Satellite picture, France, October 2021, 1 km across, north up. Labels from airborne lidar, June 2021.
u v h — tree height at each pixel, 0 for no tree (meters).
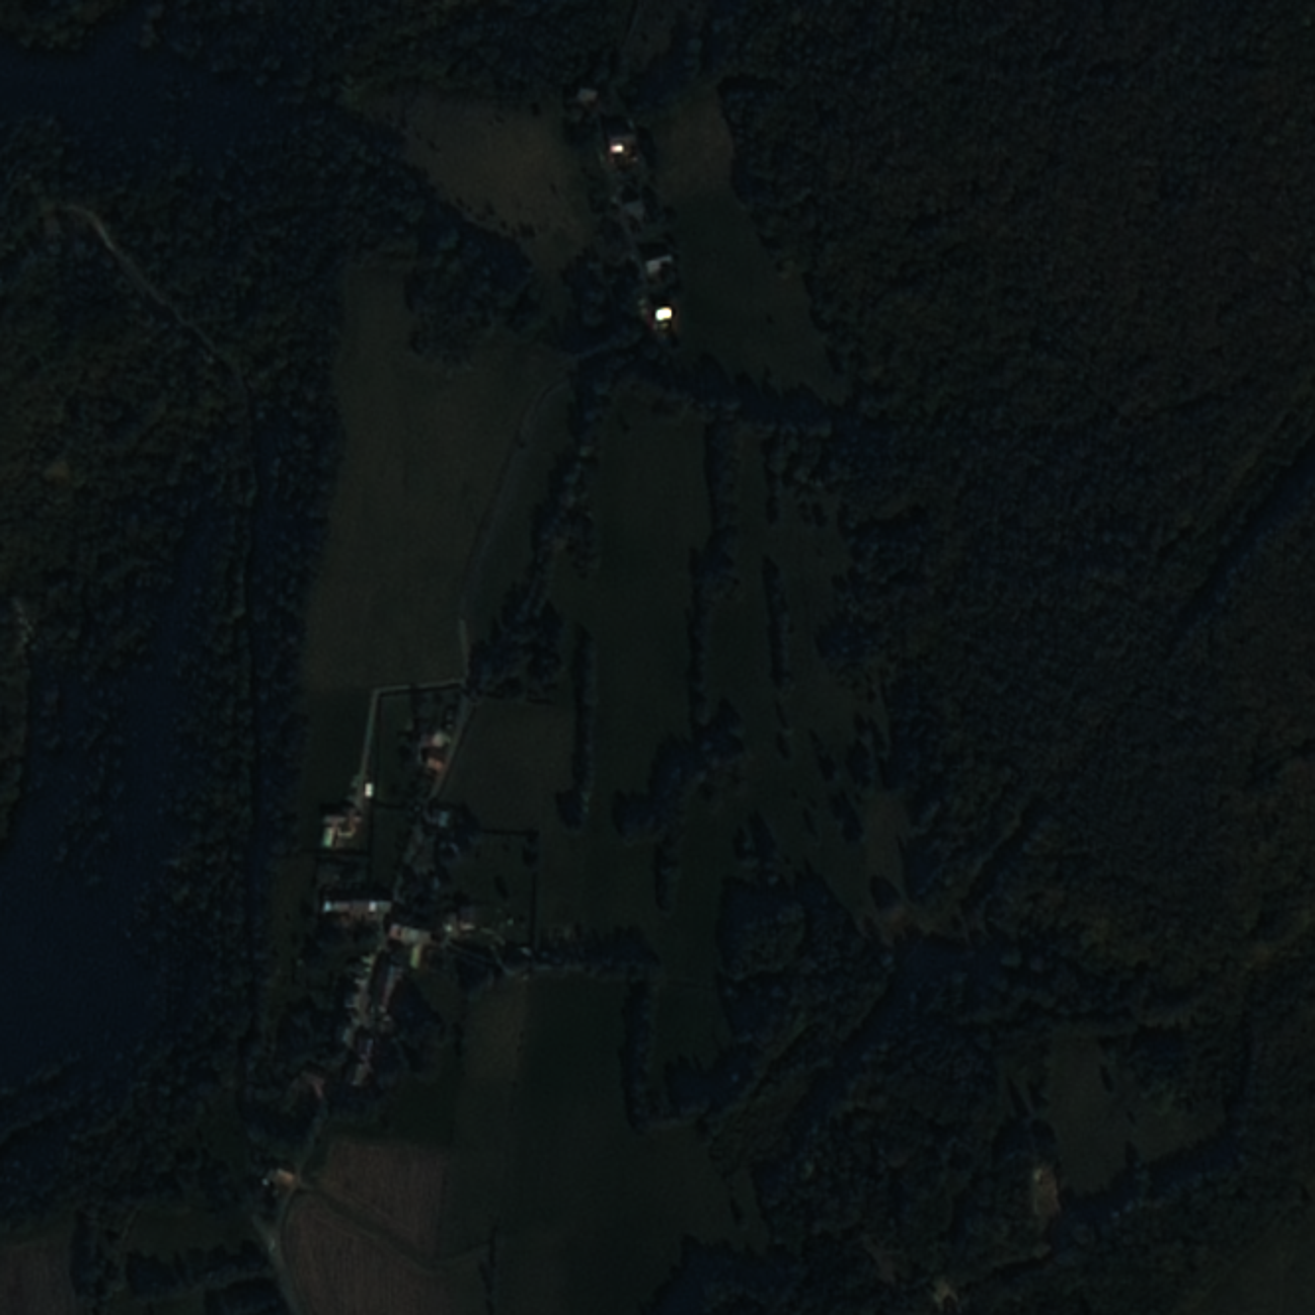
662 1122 14
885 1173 9
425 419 0
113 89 21
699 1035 0
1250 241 20
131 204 17
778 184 25
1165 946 27
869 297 20
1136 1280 18
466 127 0
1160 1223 19
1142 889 13
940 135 22
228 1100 0
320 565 10
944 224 25
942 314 20
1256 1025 22
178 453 27
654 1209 0
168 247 11
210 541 17
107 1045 22
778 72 24
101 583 15
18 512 11
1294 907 24
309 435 16
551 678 17
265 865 20
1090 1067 0
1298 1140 21
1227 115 22
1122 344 20
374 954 0
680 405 12
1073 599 15
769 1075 8
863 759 10
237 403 14
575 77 9
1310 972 21
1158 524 21
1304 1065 22
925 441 19
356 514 0
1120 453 24
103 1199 16
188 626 17
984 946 7
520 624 12
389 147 15
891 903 14
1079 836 15
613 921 0
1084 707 14
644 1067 13
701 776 17
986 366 13
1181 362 20
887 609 21
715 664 0
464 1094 0
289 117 26
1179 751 15
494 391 0
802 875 0
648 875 0
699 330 0
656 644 0
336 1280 0
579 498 10
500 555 0
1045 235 21
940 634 21
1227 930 28
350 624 0
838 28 22
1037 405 22
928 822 17
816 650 0
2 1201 24
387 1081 22
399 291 0
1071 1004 19
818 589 0
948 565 20
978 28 26
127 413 16
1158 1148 0
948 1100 21
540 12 23
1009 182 20
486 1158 0
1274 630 26
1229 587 25
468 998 12
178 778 20
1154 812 6
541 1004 0
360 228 23
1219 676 15
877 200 23
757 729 0
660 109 17
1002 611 11
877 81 19
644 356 14
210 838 28
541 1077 0
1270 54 23
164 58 15
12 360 12
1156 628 6
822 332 11
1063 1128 0
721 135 0
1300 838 29
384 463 0
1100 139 22
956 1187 0
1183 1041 25
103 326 25
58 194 18
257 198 19
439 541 0
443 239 31
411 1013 16
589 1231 0
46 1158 18
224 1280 13
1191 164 18
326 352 19
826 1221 22
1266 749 25
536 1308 0
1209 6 19
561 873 0
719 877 0
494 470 0
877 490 21
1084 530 13
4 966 7
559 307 0
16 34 24
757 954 21
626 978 13
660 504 0
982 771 28
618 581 0
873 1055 18
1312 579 22
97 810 29
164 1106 24
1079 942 22
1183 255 20
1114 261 23
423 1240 0
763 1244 0
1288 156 18
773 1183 15
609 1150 0
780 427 17
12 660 13
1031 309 17
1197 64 17
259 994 23
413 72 6
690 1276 0
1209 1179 18
